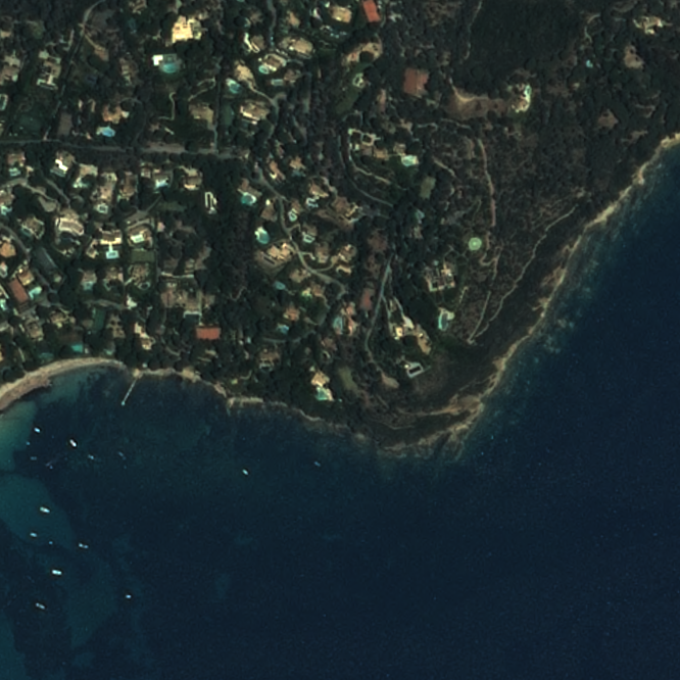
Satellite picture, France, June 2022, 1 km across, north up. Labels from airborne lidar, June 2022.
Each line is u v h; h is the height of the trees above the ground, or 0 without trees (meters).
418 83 0
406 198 8
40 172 12
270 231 16
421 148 6
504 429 0
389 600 0
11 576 0
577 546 0
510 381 0
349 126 6
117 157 10
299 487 0
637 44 15
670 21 12
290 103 12
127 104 12
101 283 6
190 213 12
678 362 0
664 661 0
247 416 0
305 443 0
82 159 7
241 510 0
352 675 0
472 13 13
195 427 0
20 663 0
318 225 6
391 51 14
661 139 11
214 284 17
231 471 0
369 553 0
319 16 10
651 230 0
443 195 12
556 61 12
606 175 13
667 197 0
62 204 11
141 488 0
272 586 0
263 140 14
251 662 0
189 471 0
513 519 0
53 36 11
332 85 9
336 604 0
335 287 12
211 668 0
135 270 0
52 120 8
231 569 0
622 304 0
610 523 0
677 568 0
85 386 0
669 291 0
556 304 0
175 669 0
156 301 13
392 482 0
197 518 0
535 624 0
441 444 0
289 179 6
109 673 0
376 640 0
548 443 0
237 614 0
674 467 0
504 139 10
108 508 0
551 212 0
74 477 0
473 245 0
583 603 0
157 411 0
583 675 0
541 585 0
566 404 0
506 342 8
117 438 0
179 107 10
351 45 14
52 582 0
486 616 0
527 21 6
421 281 11
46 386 0
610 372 0
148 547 0
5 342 15
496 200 8
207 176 12
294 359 9
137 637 0
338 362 6
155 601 0
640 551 0
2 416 0
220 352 16
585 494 0
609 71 11
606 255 0
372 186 6
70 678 0
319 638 0
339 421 12
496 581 0
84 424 0
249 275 6
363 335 6
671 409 0
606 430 0
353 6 10
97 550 0
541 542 0
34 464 0
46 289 11
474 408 0
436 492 0
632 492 0
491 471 0
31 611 0
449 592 0
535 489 0
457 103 0
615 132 13
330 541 0
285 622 0
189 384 0
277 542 0
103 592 0
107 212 0
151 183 17
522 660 0
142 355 11
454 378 0
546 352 0
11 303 13
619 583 0
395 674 0
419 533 0
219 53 17
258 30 9
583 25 13
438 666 0
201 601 0
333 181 17
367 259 7
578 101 8
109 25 11
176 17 14
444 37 14
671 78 14
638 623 0
